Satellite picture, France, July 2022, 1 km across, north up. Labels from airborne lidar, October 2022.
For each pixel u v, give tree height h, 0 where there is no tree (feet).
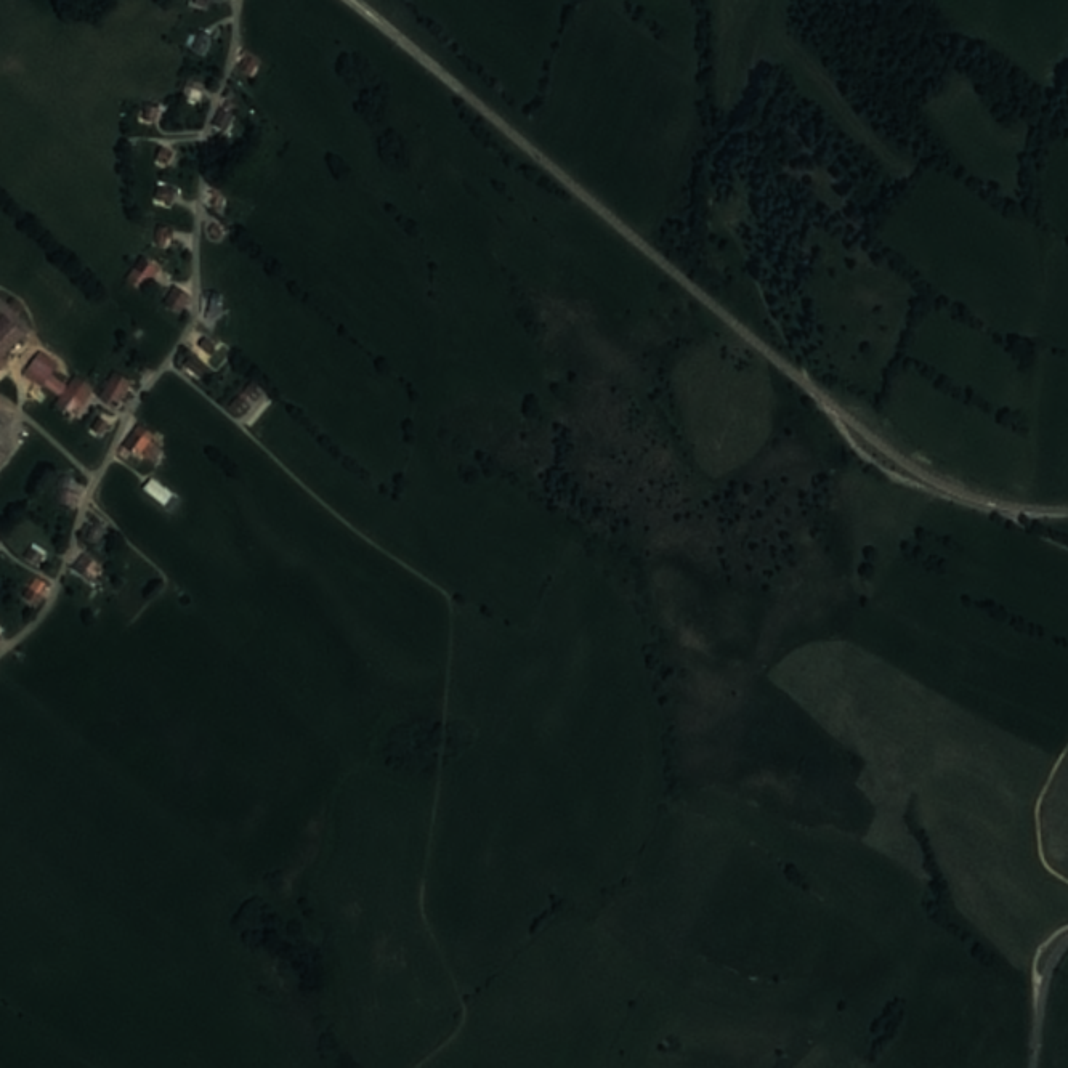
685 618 0
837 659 0
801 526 0
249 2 0
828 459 0
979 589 0
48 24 0
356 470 75
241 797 0
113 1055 0
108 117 0
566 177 0
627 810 0
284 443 0
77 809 0
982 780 0
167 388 0
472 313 0
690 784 0
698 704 0
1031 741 0
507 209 0
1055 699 0
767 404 0
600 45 0
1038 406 0
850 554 0
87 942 0
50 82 0
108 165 0
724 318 0
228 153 42
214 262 0
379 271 0
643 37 0
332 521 0
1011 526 35
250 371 52
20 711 0
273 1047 0
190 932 0
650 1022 0
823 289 0
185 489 0
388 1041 0
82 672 0
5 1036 0
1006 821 0
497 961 0
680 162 0
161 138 0
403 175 0
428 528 0
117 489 0
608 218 0
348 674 0
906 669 0
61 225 0
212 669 0
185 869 0
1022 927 0
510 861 0
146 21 0
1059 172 0
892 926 0
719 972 0
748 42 0
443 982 0
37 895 0
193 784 0
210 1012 0
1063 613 0
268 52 0
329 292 0
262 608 0
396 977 0
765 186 80
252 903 26
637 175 0
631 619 0
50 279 0
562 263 0
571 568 0
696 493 0
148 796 0
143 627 0
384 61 0
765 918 0
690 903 0
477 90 0
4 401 0
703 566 0
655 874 0
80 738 0
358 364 0
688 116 0
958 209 0
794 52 0
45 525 44
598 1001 0
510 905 0
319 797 0
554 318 0
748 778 0
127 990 0
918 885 0
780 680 0
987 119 0
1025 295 0
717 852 0
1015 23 0
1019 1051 0
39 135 0
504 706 0
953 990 0
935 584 0
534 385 0
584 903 0
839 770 0
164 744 0
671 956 0
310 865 0
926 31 93
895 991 0
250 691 0
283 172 0
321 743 0
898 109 54
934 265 0
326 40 0
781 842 0
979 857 0
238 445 0
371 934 0
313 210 0
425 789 0
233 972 0
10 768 0
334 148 0
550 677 0
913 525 0
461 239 0
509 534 0
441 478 0
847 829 0
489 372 0
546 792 0
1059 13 0
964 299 0
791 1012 0
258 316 0
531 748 0
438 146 0
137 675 0
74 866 0
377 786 0
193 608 0
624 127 0
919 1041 0
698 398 0
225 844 0
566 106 0
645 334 0
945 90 68
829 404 0
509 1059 0
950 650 0
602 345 0
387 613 0
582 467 0
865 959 0
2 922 0
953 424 0
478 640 0
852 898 0
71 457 0
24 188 0
